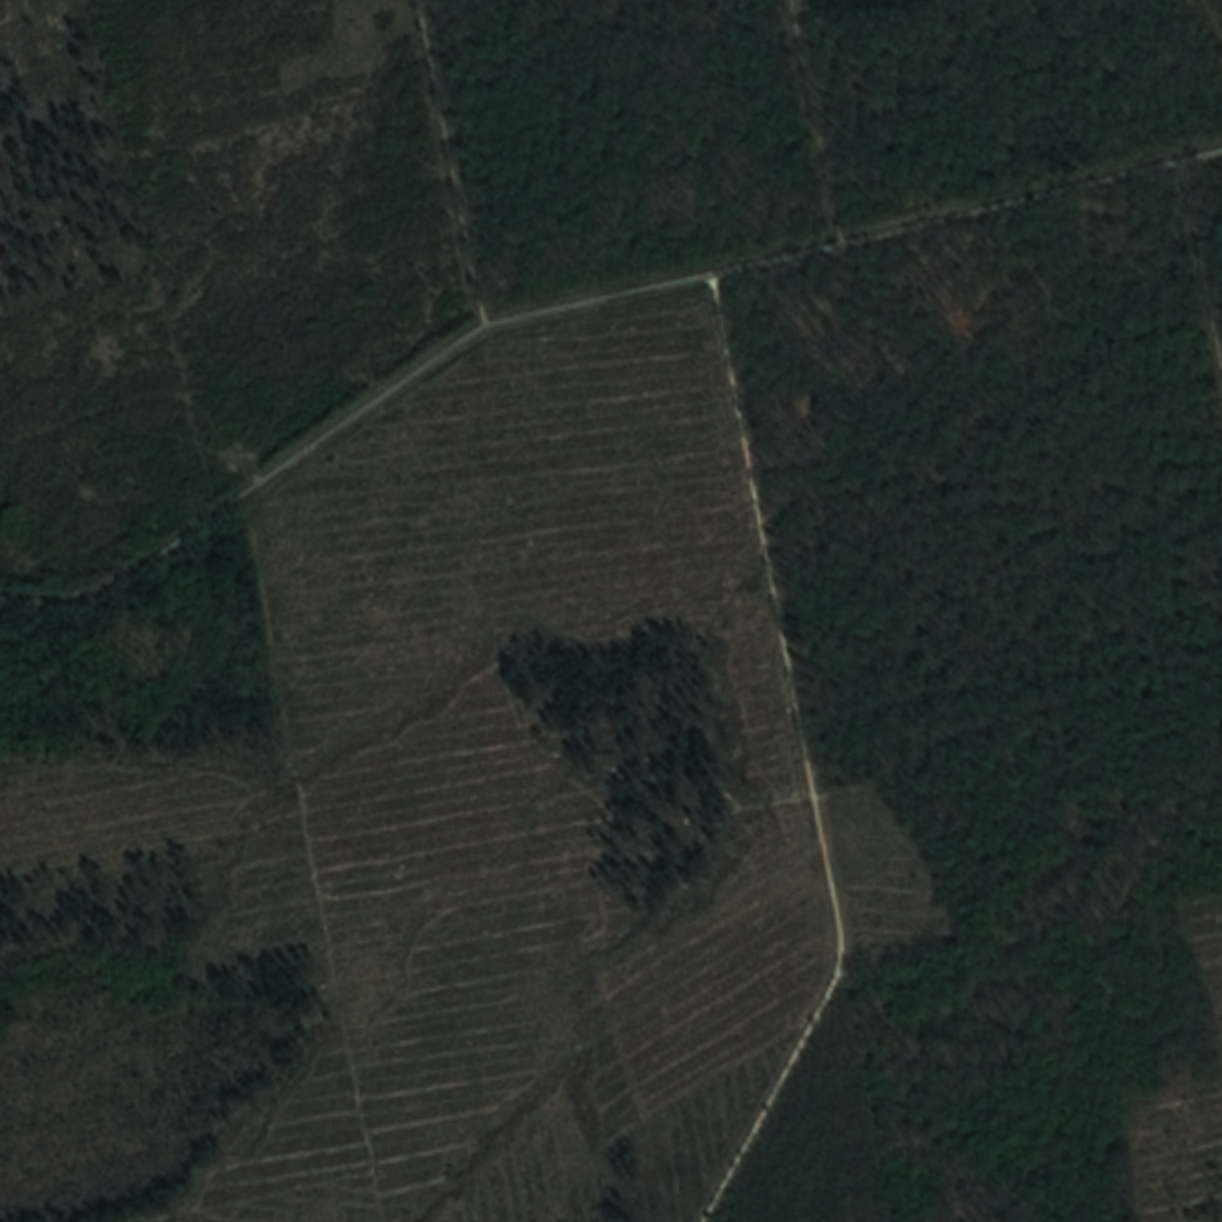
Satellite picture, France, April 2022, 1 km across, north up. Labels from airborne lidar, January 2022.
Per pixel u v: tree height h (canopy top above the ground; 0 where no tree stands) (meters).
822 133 20
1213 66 25
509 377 0
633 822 24
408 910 0
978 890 7
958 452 23
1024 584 22
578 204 18
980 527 21
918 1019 25
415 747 0
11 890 25
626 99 25
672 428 0
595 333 0
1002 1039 28
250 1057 8
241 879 0
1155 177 20
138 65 9
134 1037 6
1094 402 20
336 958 0
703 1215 0
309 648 0
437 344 17
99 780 0
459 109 23
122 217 24
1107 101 21
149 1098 7
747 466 0
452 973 0
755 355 19
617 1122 0
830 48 20
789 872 0
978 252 7
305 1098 0
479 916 0
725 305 20
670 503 0
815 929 0
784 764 0
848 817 0
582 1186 0
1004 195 22
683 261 17
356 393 12
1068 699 22
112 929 24
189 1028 6
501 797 0
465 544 0
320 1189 0
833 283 25
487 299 23
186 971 22
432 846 0
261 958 0
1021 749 24
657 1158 0
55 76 19
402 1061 0
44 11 0
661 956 0
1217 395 19
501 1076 0
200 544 17
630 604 0
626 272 21
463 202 25
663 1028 0
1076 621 21
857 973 22
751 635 0
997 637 22
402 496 0
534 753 0
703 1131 0
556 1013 0
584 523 0
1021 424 25
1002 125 25
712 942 0
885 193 21
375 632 0
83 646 16
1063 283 23
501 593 0
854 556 25
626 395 0
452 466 0
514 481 0
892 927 0
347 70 0
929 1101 26
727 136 23
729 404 0
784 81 21
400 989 0
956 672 18
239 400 6
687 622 0
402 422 0
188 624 15
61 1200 10
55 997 7
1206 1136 0
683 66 23
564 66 20
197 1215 0
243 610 20
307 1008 23
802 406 20
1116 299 21
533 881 0
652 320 0
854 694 22
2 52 0
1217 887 20
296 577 0
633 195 23
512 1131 0
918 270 24
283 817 0
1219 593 23
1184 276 24
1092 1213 24
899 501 20
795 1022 0
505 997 0
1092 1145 24
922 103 26
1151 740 20
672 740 20
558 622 0
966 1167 29
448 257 0
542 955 0
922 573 23
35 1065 7
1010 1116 24
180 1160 6
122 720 21
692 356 0
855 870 0
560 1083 0
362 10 0
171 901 6
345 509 0
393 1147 0
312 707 0
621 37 21
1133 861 26
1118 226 19
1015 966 24
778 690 0
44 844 0
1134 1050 23
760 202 22
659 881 25
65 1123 10
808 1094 15
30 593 15
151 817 0
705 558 0
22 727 19
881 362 22
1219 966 0
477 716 0
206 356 6
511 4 26
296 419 6
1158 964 25
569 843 0
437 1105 0
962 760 21
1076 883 25
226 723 27
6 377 6
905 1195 23
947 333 25
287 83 0
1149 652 22
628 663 23
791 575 18
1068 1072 24
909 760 21
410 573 0
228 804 0
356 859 0
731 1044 0
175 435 7
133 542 13
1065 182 16
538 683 25
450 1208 0
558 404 0
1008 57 20
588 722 25
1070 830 26
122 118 9
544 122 23
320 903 0
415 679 0
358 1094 0
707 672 24
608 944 0
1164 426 23
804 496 22
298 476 0
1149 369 20
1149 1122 0
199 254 5
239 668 21
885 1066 11
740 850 0
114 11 6
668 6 23
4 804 6
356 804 0
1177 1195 17
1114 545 22
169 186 5
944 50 23
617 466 0
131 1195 7
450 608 0
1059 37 22
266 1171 0
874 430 22
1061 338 25
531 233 25
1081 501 22
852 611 24
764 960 0
